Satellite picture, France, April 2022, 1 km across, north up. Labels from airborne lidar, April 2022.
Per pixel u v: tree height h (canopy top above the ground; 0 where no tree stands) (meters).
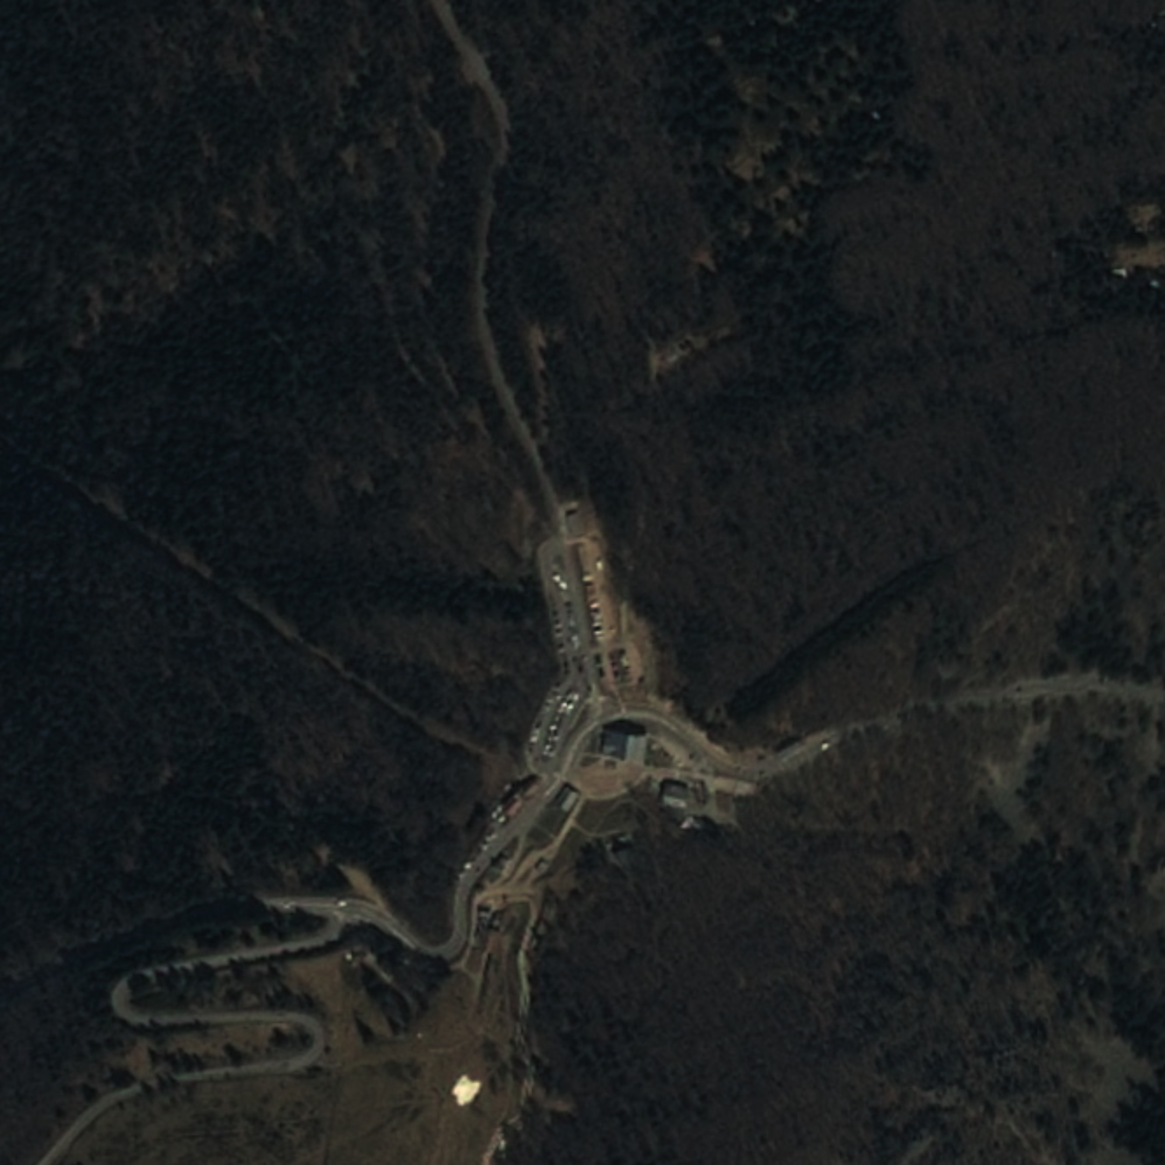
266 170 19
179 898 12
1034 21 9
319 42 22
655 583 15
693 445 14
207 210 23
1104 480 9
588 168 17
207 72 21
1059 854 9
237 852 19
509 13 21
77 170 22
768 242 10
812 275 14
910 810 26
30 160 19
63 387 25
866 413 14
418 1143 0
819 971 22
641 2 10
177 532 25
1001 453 13
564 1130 15
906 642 18
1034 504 12
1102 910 33
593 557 0
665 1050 17
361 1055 0
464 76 14
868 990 21
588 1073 14
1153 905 15
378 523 20
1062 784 24
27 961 16
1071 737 27
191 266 24
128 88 18
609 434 16
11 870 18
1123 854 26
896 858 28
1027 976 23
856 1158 21
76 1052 14
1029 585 14
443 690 18
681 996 15
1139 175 9
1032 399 13
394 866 13
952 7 10
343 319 21
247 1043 0
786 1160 15
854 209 14
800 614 18
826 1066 17
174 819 19
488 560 15
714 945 16
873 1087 19
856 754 23
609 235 18
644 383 16
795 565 14
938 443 11
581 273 15
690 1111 16
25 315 18
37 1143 12
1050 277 9
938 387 13
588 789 0
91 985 12
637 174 15
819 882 20
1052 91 11
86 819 14
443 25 18
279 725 18
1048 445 13
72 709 22
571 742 0
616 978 14
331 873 9
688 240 14
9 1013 16
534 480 19
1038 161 10
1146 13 9
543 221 20
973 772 10
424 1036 0
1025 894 32
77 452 19
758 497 15
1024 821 6
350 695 17
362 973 0
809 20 18
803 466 11
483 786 14
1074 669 18
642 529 14
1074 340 12
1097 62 10
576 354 16
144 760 22
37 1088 13
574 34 16
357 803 17
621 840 0
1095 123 12
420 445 18
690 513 16
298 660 22
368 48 17
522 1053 8
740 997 18
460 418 16
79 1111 0
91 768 20
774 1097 16
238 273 21
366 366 21
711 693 13
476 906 0
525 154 18
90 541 22
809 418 16
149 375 22
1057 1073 17
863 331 18
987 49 9
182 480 28
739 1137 15
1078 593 20
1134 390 10
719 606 14
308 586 22
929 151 9
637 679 0
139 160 20
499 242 17
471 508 18
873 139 11
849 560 19
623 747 0
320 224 20
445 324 20
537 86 17
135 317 15
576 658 0
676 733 0
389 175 18
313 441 20
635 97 16
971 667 14
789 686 10
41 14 24
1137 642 18
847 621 12
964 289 13
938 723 24
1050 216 11
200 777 13
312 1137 0
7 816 19
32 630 20
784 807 20
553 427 14
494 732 16
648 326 15
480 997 0
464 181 21
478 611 16
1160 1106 30
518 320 14
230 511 23
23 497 24
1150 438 9
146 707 20
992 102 10
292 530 20
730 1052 15
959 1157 20
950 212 14
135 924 17
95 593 15
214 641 19
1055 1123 26
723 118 18
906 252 14
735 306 14
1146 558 12
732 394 12
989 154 11
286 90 20
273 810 26
